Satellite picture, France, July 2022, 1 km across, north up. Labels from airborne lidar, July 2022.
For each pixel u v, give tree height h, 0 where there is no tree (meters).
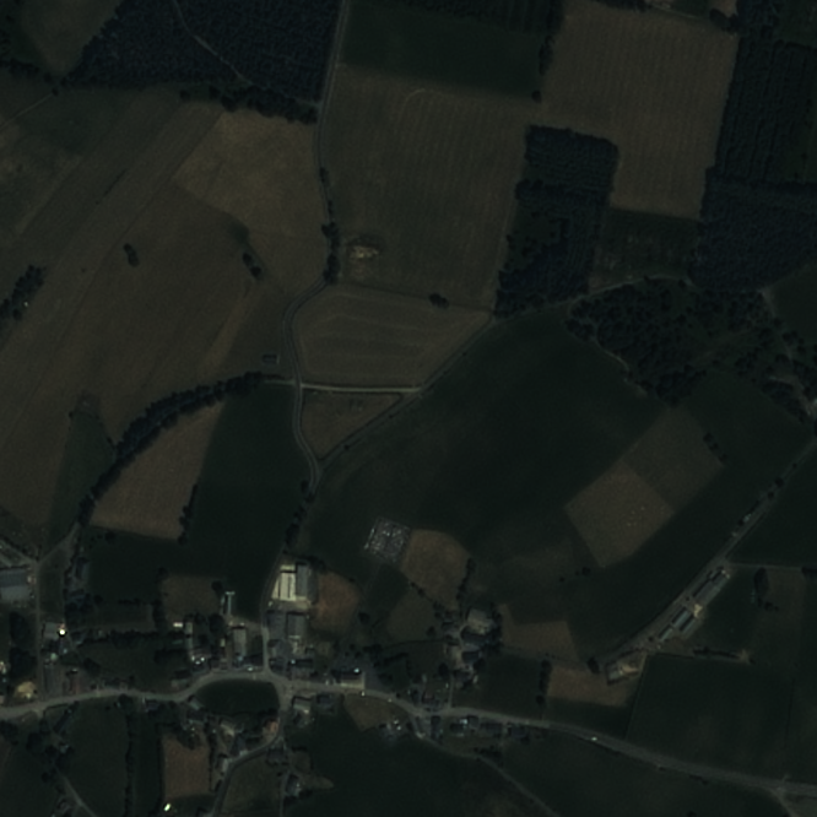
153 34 21
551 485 0
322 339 0
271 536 0
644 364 14
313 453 0
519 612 0
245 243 0
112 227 0
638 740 0
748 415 0
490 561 0
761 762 0
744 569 0
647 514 0
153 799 0
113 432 0
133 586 0
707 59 0
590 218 29
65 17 0
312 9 23
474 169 0
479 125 0
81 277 0
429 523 0
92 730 0
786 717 0
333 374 0
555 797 0
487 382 0
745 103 13
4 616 0
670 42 0
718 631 0
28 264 0
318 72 17
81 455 0
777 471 0
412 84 0
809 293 0
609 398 0
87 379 0
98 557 0
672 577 0
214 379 0
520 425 0
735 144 11
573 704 0
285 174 0
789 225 21
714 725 0
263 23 21
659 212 0
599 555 0
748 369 9
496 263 0
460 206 0
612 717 0
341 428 0
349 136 0
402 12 0
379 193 0
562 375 0
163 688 0
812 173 0
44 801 0
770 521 0
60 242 0
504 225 0
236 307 0
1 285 0
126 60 24
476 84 0
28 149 0
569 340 0
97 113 0
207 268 0
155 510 0
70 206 0
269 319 0
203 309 0
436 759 0
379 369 0
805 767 0
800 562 0
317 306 0
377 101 0
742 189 24
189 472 0
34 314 0
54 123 0
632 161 0
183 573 0
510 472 0
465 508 0
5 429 0
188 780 0
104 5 0
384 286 0
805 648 0
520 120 0
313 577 0
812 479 0
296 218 0
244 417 0
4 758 0
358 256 0
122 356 0
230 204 0
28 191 0
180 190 0
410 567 0
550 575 0
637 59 0
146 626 0
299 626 0
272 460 0
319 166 0
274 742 0
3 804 0
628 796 0
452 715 0
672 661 0
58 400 0
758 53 11
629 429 0
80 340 0
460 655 0
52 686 0
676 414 0
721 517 0
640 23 0
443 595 0
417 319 0
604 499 0
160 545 0
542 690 12
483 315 0
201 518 0
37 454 0
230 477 0
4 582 0
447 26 0
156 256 0
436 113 0
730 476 0
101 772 0
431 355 0
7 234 0
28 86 0
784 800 0
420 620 0
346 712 0
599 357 0
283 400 0
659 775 0
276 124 0
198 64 24
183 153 0
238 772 0
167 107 0
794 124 11
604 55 0
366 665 0
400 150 0
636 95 0
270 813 0
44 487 0
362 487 0
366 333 0
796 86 10
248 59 20
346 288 0
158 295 0
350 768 0
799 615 0
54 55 0
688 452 0
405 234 0
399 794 0
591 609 0
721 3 0
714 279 20
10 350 0
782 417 0
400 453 0
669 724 0
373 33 0
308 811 0
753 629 0
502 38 0
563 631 0
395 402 0
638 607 0
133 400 0
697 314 7
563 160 28
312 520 0
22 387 0
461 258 0
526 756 0
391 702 0
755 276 23
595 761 0
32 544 0
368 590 0
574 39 0
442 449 0
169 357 0
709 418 0
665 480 0
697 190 0
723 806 0
